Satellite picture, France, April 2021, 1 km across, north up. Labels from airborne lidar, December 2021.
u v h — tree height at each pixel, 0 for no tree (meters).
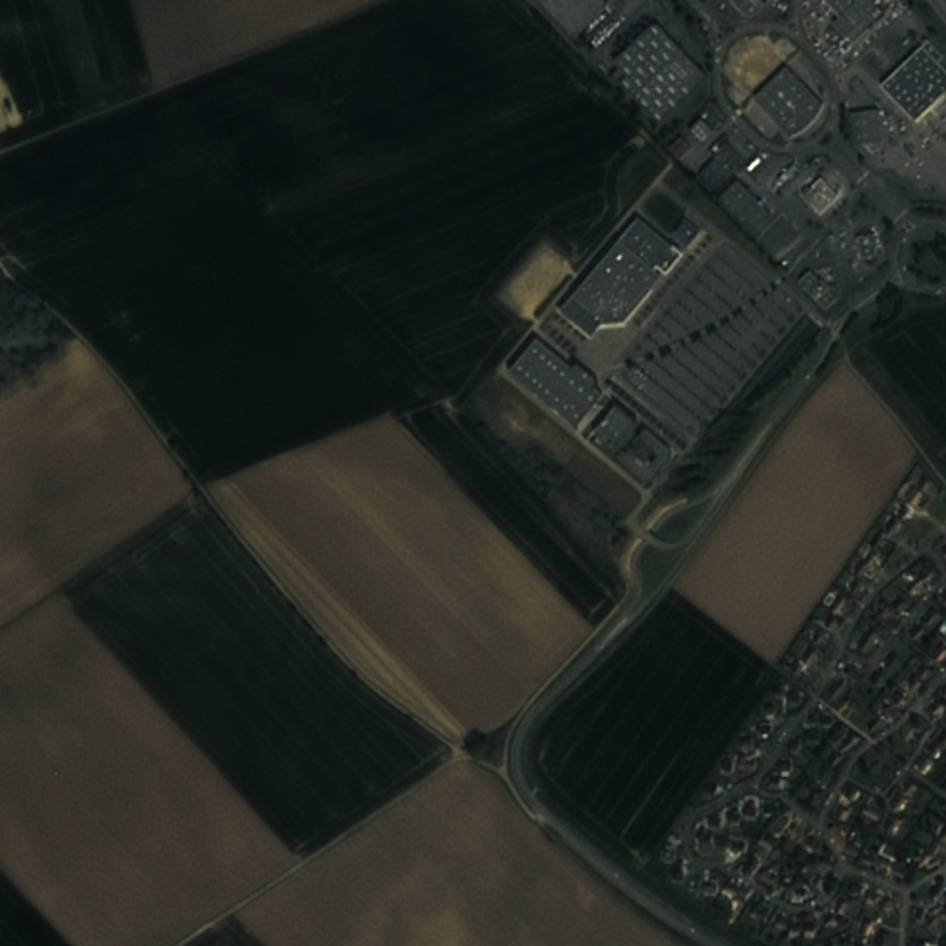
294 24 0
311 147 0
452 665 0
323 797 0
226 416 0
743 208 0
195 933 0
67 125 0
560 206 0
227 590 0
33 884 0
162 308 0
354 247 0
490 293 0
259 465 0
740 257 0
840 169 0
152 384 0
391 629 0
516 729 0
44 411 0
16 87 0
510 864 0
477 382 0
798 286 0
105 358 0
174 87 0
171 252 0
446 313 0
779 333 0
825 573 0
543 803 0
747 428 11
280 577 0
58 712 0
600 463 0
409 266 0
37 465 0
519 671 0
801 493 0
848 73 0
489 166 0
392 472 0
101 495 0
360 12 0
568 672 0
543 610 0
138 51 0
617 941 0
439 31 0
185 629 0
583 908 0
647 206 0
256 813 0
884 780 0
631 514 0
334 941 0
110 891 0
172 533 0
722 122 0
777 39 0
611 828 0
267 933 0
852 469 0
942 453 0
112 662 0
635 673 0
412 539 0
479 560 0
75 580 0
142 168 0
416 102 0
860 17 0
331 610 0
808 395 0
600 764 0
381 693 0
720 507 0
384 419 0
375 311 0
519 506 0
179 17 0
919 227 0
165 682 0
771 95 0
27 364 31
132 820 0
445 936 0
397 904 0
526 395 0
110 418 0
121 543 0
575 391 0
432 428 0
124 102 0
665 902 0
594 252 0
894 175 0
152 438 0
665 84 0
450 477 0
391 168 0
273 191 0
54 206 0
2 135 0
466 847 0
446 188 0
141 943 0
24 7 0
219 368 0
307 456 0
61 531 0
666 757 0
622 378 0
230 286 0
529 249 0
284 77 0
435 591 0
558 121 0
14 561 0
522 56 0
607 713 0
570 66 0
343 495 0
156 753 0
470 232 0
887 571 0
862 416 0
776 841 6
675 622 0
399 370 0
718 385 0
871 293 0
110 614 0
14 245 0
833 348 7
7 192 0
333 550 0
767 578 0
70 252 0
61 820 0
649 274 0
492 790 0
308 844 0
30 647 0
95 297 0
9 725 0
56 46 0
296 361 0
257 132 0
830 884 13
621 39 7
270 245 0
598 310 0
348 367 0
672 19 0
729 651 0
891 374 0
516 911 0
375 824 0
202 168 0
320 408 0
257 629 0
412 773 0
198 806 0
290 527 0
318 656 0
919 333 0
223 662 0
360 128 0
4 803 0
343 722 0
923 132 0
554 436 0
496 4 0
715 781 0
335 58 0
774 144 0
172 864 0
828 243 0
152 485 0
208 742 0
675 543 0
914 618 0
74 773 0
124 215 0
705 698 0
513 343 0
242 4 0
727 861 0
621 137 0
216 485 0
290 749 0
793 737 0
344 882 0
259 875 0
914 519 0
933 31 9
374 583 0
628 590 0
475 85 0
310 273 0
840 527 0
